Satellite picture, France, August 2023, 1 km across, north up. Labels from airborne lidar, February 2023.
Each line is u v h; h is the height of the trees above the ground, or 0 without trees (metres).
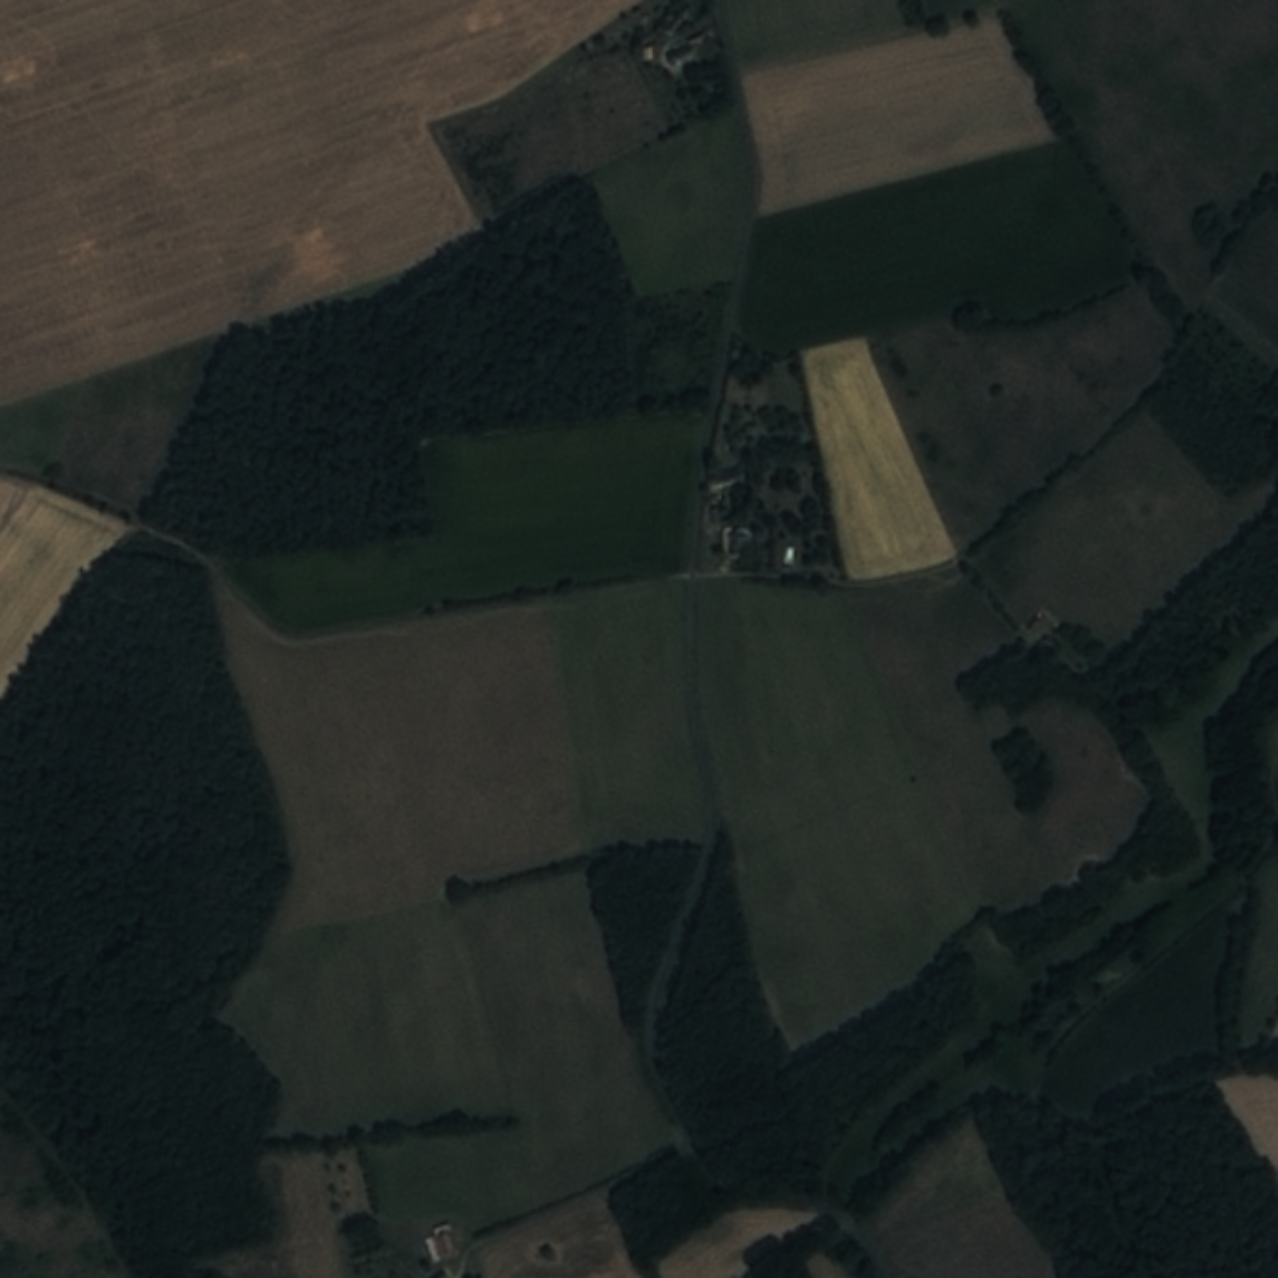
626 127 0
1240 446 14
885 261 0
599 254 17
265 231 0
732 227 0
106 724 18
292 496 20
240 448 21
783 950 0
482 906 0
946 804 0
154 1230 20
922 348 0
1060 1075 0
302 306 0
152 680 18
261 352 20
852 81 0
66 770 22
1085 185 0
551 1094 0
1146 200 0
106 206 0
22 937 22
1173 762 0
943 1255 0
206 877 18
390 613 0
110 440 0
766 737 0
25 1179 0
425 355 15
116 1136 19
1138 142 0
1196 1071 14
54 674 19
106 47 0
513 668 0
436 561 0
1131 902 0
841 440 0
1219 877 11
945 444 0
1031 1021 11
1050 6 0
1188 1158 26
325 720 0
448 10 0
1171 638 23
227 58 0
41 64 0
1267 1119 0
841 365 0
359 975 0
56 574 0
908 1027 27
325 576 0
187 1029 19
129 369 0
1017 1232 0
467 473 0
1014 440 0
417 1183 0
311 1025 0
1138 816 0
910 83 0
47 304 0
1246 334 0
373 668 0
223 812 17
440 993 0
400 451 17
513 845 0
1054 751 0
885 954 0
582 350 20
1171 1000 0
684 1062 19
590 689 0
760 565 9
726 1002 20
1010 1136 16
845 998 0
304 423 19
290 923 0
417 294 23
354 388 17
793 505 0
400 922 0
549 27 0
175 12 0
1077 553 0
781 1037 16
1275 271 0
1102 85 0
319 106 0
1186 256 0
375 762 0
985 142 0
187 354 0
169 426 0
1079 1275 21
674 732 0
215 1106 18
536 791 0
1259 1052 6
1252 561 20
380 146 0
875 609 0
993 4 0
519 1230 0
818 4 0
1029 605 0
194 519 15
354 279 0
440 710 0
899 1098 0
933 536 0
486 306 21
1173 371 13
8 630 0
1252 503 0
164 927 18
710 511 13
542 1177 0
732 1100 15
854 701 0
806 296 0
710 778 0
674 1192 17
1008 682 20
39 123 0
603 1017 0
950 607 0
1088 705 12
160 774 16
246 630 0
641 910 18
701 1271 0
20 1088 17
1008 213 0
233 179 0
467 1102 0
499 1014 0
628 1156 0
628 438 0
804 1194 10
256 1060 13
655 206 0
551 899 0
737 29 0
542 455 0
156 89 0
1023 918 12
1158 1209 23
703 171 0
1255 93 0
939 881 0
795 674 0
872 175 0
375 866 0
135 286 0
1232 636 27
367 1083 0
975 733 0
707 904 12
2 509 0
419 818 0
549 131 0
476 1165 0
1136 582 0
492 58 0
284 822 0
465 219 0
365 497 18
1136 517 0
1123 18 0
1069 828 0
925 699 0
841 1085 25
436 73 0
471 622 0
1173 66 0
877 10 0
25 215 0
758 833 0
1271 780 6
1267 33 0
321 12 0
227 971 17
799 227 0
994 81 0
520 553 0
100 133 0
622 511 0
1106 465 0
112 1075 20
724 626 0
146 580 11
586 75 0
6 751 21
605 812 0
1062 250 0
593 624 0
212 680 8
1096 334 0
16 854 21
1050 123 11
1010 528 7
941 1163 0
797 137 0
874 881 0
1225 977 11
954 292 0
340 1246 0
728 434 6
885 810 0
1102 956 8
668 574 0
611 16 0
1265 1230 20
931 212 0
